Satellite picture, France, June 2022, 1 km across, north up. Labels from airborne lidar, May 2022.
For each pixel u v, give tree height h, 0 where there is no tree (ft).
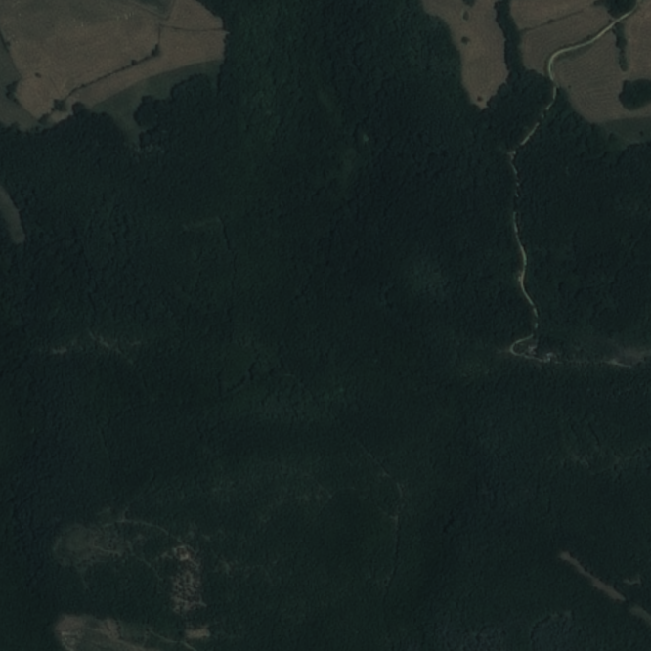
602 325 45
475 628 37
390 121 84
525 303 39
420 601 34
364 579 20
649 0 0
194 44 0
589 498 52
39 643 48
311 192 51
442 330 34
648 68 0
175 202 66
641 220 41
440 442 49
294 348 54
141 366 31
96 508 36
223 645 25
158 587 22
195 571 24
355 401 29
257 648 22
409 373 35
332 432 38
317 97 69
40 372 78
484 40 0
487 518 41
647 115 0
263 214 73
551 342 37
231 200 51
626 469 34
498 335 58
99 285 47
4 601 55
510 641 36
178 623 21
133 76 0
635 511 50
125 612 28
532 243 30
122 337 27
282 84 25
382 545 21
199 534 21
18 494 61
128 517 24
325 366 55
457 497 55
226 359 22
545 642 48
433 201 75
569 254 36
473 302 59
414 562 51
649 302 42
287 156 60
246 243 57
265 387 35
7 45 18
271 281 68
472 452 43
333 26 66
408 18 36
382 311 79
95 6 0
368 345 55
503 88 49
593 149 27
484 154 36
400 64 44
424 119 64
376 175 64
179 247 42
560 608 41
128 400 31
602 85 0
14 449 48
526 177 48
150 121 64
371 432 50
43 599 77
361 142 67
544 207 31
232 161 56
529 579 47
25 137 45
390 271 61
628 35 0
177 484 26
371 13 70
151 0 0
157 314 53
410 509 26
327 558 23
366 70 78
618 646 31
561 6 0
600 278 30
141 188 60
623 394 50
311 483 20
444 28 32
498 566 44
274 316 73
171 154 67
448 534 57
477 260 50
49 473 56
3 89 0
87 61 0
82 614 39
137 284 44
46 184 56
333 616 23
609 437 37
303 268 69
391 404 49
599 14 0
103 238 58
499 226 39
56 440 59
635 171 62
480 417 38
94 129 78
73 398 64
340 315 64
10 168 54
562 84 0
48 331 24
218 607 27
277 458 20
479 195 68
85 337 20
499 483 44
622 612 46
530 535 62
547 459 26
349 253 88
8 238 71
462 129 52
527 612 40
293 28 42
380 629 21
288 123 55
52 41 0
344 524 27
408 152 48
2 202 0
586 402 45
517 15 0
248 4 29
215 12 43
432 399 48
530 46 0
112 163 55
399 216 63
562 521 42
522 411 40
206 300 24
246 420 35
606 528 53
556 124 46
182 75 0
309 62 72
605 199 45
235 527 22
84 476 43
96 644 0
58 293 43
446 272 52
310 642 31
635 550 38
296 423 18
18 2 0
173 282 52
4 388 74
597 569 52
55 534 47
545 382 55
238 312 54
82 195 56
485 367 28
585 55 0
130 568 18
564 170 51
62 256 43
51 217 68
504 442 27
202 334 29
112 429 30
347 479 24
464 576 31
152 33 0
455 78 41
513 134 57
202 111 71
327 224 91
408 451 36
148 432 35
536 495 22
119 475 36
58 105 39
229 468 24
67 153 70
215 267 22
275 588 19
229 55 38
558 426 36
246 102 28
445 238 71
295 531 28
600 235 44
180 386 46
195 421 27
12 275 23
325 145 72
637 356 0
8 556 48
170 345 41
